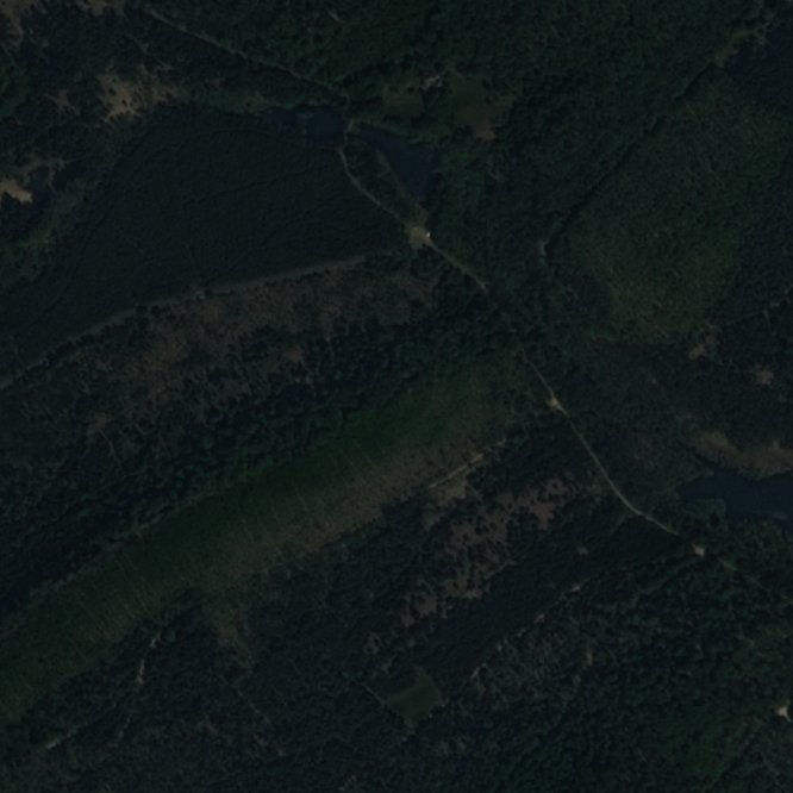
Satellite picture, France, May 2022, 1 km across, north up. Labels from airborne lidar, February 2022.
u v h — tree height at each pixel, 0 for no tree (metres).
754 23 11
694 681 10
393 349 31
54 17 30
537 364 21
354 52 6
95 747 28
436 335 28
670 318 21
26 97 22
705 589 25
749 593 28
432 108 19
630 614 23
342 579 25
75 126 19
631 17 20
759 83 25
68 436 6
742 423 23
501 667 17
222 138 14
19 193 0
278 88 19
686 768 28
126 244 14
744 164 27
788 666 30
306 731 25
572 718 27
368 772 27
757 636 25
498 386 12
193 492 22
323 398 29
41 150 16
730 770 20
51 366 15
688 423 10
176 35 14
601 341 21
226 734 18
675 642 10
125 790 26
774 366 26
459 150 28
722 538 24
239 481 11
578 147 24
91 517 12
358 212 17
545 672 0
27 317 16
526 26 20
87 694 13
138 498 31
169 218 14
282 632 17
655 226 24
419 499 20
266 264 15
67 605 20
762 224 31
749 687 28
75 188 16
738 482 0
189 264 13
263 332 14
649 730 31
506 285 23
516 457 10
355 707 21
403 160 0
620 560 14
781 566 29
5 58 30
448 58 20
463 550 7
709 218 19
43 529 13
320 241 18
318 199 16
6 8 0
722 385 21
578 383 23
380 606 13
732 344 26
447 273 21
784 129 0
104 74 7
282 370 7
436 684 10
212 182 15
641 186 26
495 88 13
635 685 29
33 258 6
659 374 17
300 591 17
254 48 17
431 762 26
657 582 24
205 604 13
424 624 11
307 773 28
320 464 12
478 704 9
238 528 13
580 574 12
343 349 18
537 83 9
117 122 11
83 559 16
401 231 9
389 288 7
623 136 23
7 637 18
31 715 29
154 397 0
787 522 0
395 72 22
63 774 25
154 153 10
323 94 23
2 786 29
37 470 25
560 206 23
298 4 29
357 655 11
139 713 14
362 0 30
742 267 28
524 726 28
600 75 24
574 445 15
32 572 12
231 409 11
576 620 25
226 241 15
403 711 0
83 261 16
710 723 33
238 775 26
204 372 0
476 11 25
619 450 25
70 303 14
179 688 13
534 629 21
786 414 23
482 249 14
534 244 28
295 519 15
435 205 15
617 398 21
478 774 27
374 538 25
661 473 15
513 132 9
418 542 25
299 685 24
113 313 12
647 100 25
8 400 8
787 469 0
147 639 13
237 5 29
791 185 31
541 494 7
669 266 9
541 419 11
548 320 19
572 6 23
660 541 14
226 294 0
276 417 30
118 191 12
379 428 11
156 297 13
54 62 29
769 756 24
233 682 19
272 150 14
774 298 27
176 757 24
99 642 15
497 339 21
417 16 7
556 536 9
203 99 5
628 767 22
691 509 23
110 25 26
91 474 13
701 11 26
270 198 15
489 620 10
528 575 11
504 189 20
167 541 15
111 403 6
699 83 20
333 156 16
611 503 10
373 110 23
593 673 23
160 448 9
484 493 6
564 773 27
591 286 23
